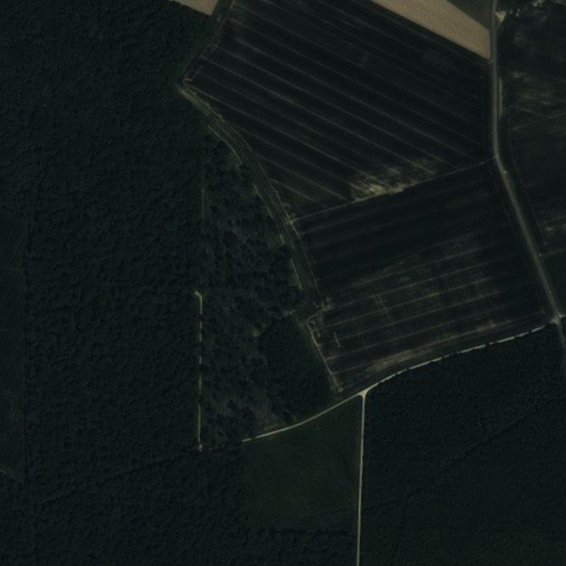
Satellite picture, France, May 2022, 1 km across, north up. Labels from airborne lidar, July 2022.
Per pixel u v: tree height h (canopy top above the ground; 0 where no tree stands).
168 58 20
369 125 0
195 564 26
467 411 17
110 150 22
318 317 0
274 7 0
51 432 18
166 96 20
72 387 20
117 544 23
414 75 0
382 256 0
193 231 24
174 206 15
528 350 19
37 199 21
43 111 25
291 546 19
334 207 0
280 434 0
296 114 0
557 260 0
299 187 0
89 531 11
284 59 0
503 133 0
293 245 0
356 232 0
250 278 27
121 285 21
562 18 0
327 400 8
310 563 19
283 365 18
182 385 28
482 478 13
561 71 0
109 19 21
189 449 7
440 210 0
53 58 21
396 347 0
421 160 0
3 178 19
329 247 0
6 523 18
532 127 0
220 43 0
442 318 0
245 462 23
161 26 25
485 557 13
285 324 17
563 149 0
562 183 0
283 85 0
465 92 0
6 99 25
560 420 18
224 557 23
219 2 0
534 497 15
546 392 20
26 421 7
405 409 15
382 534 12
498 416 19
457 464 12
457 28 0
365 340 0
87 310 21
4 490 18
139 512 21
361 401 0
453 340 0
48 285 20
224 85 0
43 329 19
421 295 0
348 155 0
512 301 0
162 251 20
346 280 0
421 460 15
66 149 26
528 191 0
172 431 18
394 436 17
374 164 0
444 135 0
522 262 0
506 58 0
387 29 0
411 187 0
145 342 19
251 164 0
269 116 0
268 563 21
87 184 21
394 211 0
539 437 19
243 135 0
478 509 14
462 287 0
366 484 12
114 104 21
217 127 0
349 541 12
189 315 23
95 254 20
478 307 0
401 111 0
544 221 0
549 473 13
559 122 0
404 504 9
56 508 17
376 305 0
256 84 0
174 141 23
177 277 14
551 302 0
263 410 0
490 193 0
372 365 0
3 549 24
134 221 29
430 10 0
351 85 0
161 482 14
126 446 23
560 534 14
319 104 0
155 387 18
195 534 20
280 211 0
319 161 0
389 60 0
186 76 0
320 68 0
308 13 0
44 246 20
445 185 0
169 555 24
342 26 0
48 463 23
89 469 20
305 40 0
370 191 0
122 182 25
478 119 0
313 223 0
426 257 0
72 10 21
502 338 0
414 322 0
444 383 19
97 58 25
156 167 25
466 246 0
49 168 24
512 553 14
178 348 24
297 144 0
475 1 0
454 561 14
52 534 25
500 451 17
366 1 0
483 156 0
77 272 24
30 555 21
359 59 0
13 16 19
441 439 19
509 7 0
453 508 14
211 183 24
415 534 13
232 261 27
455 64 0
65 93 22
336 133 0
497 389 16
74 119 21
